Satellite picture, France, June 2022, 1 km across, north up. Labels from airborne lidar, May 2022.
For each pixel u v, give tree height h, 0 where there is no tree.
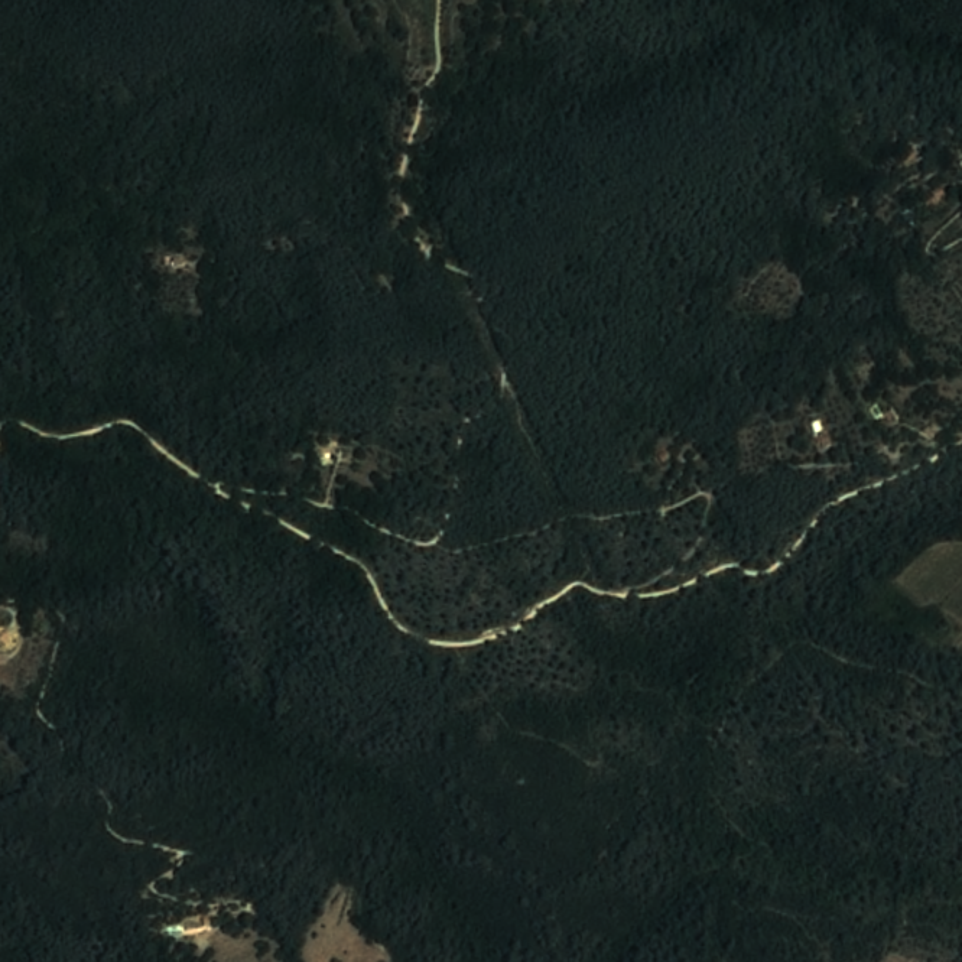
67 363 18
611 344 17
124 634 8
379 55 13
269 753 14
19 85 7
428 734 17
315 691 15
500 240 18
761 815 9
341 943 0
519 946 19
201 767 17
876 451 16
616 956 8
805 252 19
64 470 14
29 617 13
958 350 10
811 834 8
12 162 7
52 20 12
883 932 9
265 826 7
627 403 16
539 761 6
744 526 17
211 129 17
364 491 11
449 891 7
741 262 21
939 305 7
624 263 17
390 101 15
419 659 15
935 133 23
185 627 13
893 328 17
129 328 16
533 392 21
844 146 15
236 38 21
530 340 14
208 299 10
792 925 5
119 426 17
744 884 9
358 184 16
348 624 16
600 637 6
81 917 7
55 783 21
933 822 21
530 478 17
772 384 14
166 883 7
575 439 18
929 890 22
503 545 13
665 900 11
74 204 8
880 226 16
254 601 15
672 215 17
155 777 17
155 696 12
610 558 18
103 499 10
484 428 18
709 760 6
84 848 15
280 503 17
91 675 9
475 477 19
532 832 6
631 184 18
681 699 14
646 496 16
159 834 7
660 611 7
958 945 7
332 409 18
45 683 7
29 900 17
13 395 8
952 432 8
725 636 8
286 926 24
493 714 7
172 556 28
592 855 6
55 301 9
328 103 13
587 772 5
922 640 9
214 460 17
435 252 12
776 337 20
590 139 17
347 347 17
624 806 9
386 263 14
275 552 12
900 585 0
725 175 17
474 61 11
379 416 19
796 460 12
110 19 16
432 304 16
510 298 17
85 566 7
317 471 7
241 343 11
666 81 19
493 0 13
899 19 22
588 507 15
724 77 13
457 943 23
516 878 18
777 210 16
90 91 7
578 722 6
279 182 16
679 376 15
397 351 17
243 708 10
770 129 18
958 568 0
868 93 20
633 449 16
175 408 12
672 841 18
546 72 16
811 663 9
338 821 14
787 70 21
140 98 14
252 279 19
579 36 21
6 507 15
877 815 6
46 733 6
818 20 19
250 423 19
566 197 20
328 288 16
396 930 18
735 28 19
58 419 11
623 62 11
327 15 16
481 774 6
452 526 15
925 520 14
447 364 18
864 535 25
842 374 16
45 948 12
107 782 19
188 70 13
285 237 18
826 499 23
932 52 17
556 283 19
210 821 7
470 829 18
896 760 20
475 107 14
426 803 7
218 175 21
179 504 14
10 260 8
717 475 19
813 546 26
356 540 9
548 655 19
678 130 17
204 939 0
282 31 19
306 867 18
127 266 11
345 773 10
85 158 8
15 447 12
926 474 21
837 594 25
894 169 9
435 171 16
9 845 19
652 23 20
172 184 13
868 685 21
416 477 13
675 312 14
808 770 7
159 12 15
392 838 11
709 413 20
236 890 19
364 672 16
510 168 19
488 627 15
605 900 7
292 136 15
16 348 17
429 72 6
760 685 8
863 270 20
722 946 6
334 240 19
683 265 21
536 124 23
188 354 12
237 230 20
